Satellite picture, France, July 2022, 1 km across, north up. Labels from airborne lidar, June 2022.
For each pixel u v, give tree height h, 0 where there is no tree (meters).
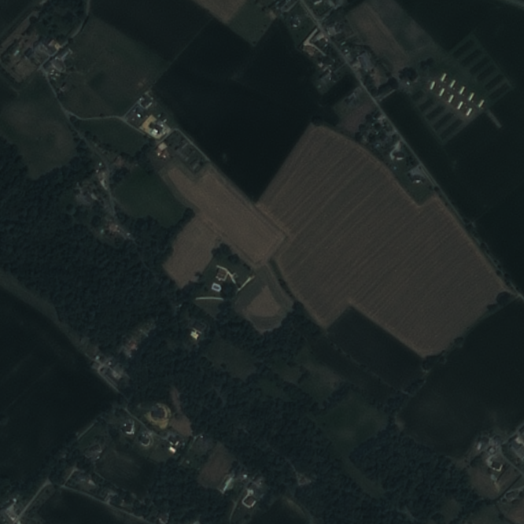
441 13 0
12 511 0
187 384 18
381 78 0
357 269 0
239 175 0
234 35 0
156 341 25
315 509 22
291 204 0
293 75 0
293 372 0
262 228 0
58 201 21
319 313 0
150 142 12
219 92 0
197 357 25
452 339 0
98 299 22
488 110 0
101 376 0
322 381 0
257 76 0
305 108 0
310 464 16
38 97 0
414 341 0
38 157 0
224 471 0
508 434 0
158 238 17
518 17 0
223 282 0
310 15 0
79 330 22
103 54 0
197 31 0
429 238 0
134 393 18
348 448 0
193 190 0
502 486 0
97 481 8
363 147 0
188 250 0
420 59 0
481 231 0
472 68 0
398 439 21
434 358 9
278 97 0
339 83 0
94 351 0
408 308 0
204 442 0
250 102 0
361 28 0
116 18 0
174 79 0
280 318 0
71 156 0
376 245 0
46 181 20
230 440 25
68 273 23
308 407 10
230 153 0
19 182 23
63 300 17
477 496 18
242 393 22
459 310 0
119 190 0
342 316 0
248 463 18
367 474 19
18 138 0
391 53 0
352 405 0
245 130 0
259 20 0
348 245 0
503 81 0
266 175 0
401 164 0
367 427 0
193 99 0
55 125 0
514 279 0
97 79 0
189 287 9
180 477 23
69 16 17
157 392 23
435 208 0
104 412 16
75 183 14
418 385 16
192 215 15
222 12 0
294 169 0
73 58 0
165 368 15
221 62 0
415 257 0
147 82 0
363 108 0
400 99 0
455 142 0
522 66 0
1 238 21
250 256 0
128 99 0
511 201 0
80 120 5
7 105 0
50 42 0
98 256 26
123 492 15
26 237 22
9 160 22
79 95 0
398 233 0
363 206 0
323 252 0
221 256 14
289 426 27
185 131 0
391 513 24
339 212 0
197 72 0
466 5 0
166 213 0
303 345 16
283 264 0
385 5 0
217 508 25
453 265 0
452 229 0
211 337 15
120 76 0
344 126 0
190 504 24
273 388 0
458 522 9
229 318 13
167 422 0
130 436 0
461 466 0
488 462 0
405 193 0
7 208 24
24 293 0
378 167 0
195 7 0
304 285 0
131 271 14
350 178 0
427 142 0
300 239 0
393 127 0
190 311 9
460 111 0
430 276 0
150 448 0
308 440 24
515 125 0
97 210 11
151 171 22
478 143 0
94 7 0
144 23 0
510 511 0
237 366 0
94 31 0
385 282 0
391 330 0
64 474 6
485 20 0
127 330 16
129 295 20
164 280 20
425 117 0
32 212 22
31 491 19
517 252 0
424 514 24
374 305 0
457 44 0
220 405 21
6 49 6
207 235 0
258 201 0
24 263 21
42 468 8
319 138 0
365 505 13
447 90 0
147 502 16
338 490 17
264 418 22
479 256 0
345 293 0
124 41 0
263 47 0
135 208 0
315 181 0
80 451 14
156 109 0
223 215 0
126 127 0
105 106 0
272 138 0
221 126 0
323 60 10
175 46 0
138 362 23
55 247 25
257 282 0
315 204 0
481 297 0
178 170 0
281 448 11
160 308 14
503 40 0
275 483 18
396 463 29
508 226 0
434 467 20
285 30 0
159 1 0
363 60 0
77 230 22
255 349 24
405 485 9
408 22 0
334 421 0
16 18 0
